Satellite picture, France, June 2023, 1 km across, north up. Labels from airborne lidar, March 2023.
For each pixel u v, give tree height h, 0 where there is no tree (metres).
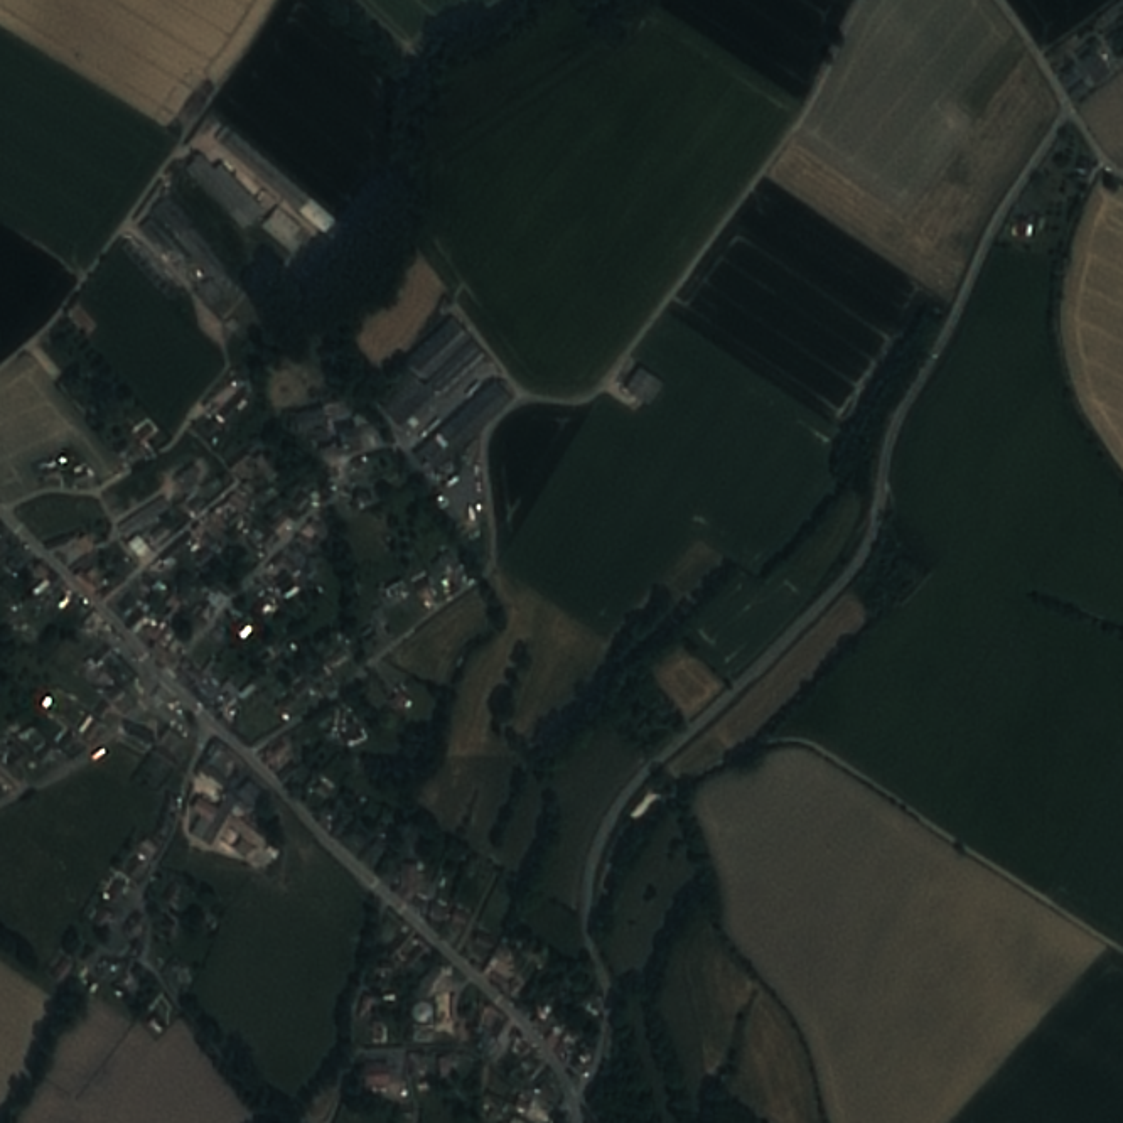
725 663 0
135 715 0
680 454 0
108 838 0
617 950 0
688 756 0
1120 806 0
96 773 0
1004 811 0
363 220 36
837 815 0
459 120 0
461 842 9
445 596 0
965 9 0
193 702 0
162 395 0
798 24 0
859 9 0
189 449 0
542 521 0
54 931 0
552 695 0
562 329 0
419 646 0
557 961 16
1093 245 0
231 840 0
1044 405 0
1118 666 0
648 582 0
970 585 0
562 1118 11
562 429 0
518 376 0
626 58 0
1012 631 0
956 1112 0
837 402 0
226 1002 0
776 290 0
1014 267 0
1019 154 0
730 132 0
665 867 0
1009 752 0
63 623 0
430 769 19
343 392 20
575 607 0
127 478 0
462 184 0
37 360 0
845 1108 0
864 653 0
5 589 0
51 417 0
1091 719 0
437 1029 0
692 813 11
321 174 0
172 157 0
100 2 0
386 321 0
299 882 0
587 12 11
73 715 0
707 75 0
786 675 0
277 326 35
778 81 0
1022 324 0
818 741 0
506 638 0
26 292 0
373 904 6
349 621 20
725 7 0
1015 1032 0
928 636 0
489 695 0
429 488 12
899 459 0
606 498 0
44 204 0
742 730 0
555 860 0
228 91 0
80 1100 0
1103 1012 0
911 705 0
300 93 0
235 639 9
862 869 0
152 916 9
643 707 13
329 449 0
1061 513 0
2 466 0
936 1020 0
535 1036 0
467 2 0
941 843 0
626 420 0
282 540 0
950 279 0
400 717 11
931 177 0
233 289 0
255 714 0
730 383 0
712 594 15
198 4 0
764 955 0
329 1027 0
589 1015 6
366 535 0
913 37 0
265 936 0
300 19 0
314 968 0
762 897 0
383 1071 0
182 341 0
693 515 0
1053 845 0
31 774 0
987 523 0
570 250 0
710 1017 0
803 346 0
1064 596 0
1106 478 0
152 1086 0
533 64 0
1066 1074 0
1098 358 0
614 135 0
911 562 8
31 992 0
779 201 0
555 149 0
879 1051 0
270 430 12
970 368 0
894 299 0
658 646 18
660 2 0
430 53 12
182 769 0
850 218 0
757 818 0
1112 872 0
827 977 0
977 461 0
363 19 21
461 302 0
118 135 0
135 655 0
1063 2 0
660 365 0
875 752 0
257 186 0
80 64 0
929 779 0
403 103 20
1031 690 0
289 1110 27
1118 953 0
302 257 0
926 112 0
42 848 0
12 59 0
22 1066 0
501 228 0
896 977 0
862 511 0
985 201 0
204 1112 0
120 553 0
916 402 0
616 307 0
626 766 0
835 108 0
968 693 0
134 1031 0
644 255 0
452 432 0
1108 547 0
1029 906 0
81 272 0
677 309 0
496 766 0
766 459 0
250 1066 37
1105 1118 0
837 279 0
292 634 10
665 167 0
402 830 8
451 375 0
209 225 0
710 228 0
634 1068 21
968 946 0
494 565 0
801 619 0
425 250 0
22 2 0
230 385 0
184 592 6
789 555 10
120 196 0
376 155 0
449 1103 9
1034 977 0
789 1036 0
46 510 0
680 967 0
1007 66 0
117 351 0
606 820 0
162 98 0
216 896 13
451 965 0
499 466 0
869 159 0
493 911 0
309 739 0
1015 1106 0
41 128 0
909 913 0
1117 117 0
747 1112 12
